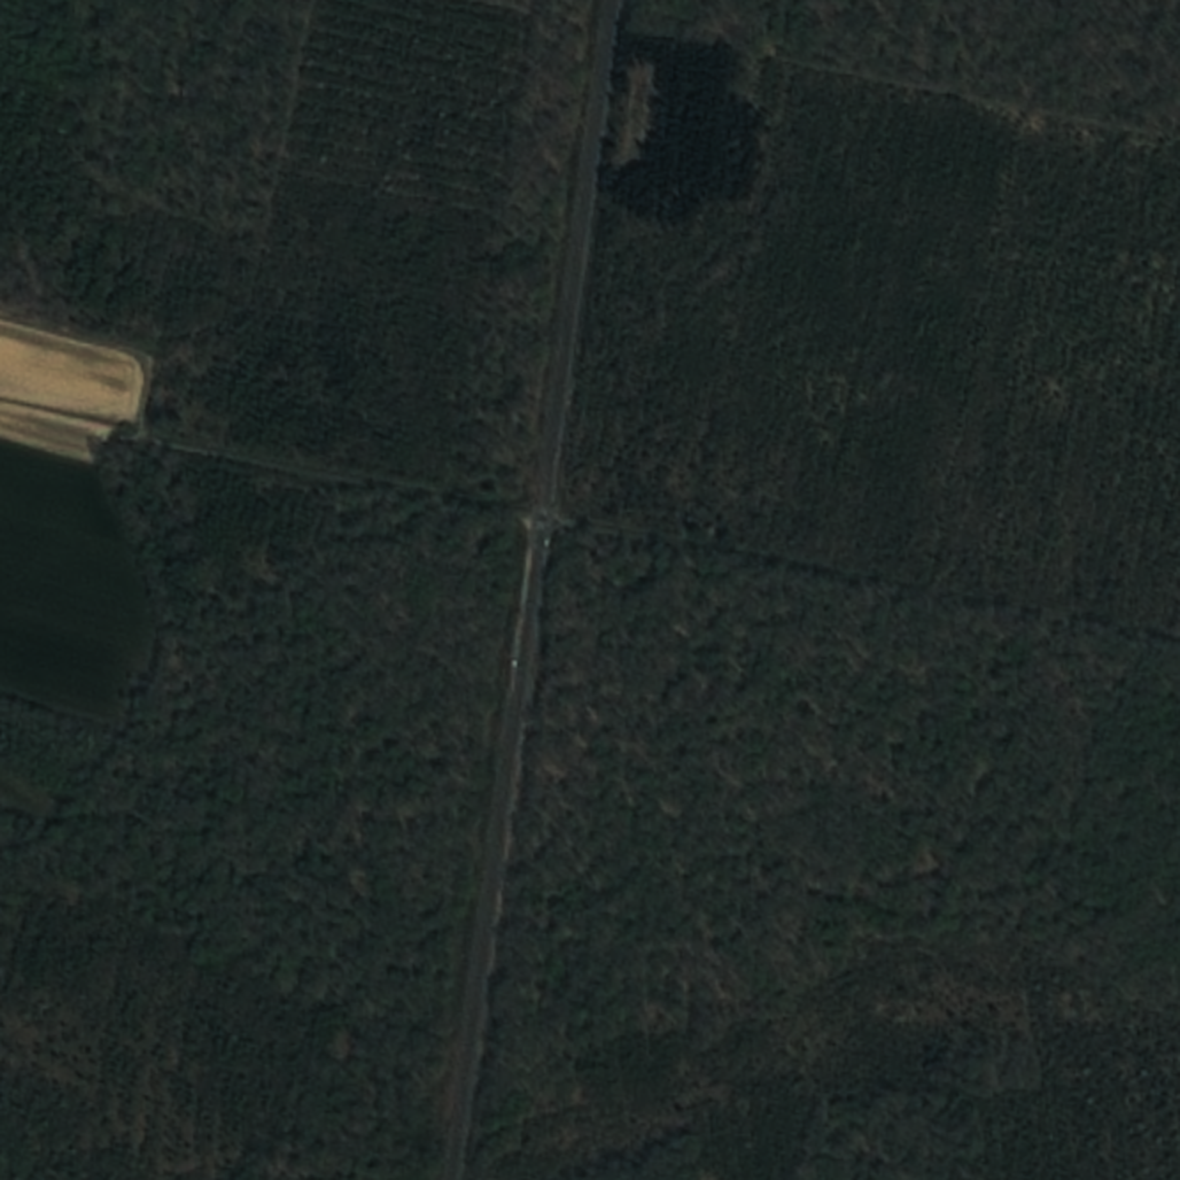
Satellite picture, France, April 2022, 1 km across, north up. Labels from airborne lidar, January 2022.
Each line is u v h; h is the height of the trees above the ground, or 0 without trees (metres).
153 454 12
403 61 11
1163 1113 12
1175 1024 6
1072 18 26
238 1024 7
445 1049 21
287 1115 12
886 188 6
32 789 16
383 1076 23
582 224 0
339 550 21
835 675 24
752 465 7
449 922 25
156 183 27
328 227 10
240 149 21
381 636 25
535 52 21
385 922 26
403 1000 24
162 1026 6
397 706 24
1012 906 29
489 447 24
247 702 24
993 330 7
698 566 22
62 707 0
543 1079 20
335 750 24
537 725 21
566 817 23
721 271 15
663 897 22
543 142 24
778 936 20
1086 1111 9
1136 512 8
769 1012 21
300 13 20
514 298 25
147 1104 0
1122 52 26
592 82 0
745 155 13
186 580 20
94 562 0
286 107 22
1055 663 24
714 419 7
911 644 27
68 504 0
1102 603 8
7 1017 7
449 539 23
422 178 7
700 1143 11
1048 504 10
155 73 24
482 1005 0
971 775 26
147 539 19
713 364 8
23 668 0
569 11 21
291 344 11
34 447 0
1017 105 23
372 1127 24
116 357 0
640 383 7
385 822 26
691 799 21
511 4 20
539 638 0
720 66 14
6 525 0
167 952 7
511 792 0
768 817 25
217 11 27
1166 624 6
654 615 28
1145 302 12
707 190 16
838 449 7
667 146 13
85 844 24
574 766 21
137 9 27
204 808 25
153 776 25
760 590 23
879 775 22
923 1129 25
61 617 0
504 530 24
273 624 24
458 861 25
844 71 20
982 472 9
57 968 6
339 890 23
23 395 0
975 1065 23
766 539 7
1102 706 24
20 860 20
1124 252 6
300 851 26
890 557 7
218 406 13
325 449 9
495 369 25
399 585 27
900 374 8
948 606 24
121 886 23
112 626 0
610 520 7
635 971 27
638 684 28
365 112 11
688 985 27
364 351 7
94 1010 6
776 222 8
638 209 14
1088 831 25
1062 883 25
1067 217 12
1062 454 7
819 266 9
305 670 24
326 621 23
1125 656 22
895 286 7
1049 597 6
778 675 25
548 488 0
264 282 8
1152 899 25
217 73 22
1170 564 6
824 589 25
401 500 21
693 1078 6
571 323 0
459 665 26
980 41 29
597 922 23
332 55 7
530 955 25
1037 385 14
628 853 18
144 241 6
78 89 27
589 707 23
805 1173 22
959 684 25
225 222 26
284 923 25
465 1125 0
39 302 22
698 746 25
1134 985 24
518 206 24
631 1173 23
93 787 19
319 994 20
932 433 9
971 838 21
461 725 23
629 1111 7
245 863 19
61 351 0
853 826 24
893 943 25
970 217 7
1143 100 22
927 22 26
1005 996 0
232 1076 8
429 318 10
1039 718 25
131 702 14
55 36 21
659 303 10
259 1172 20
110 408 0
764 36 24
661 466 6
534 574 0
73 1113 7
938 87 20
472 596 25
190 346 9
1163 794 18
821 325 8
